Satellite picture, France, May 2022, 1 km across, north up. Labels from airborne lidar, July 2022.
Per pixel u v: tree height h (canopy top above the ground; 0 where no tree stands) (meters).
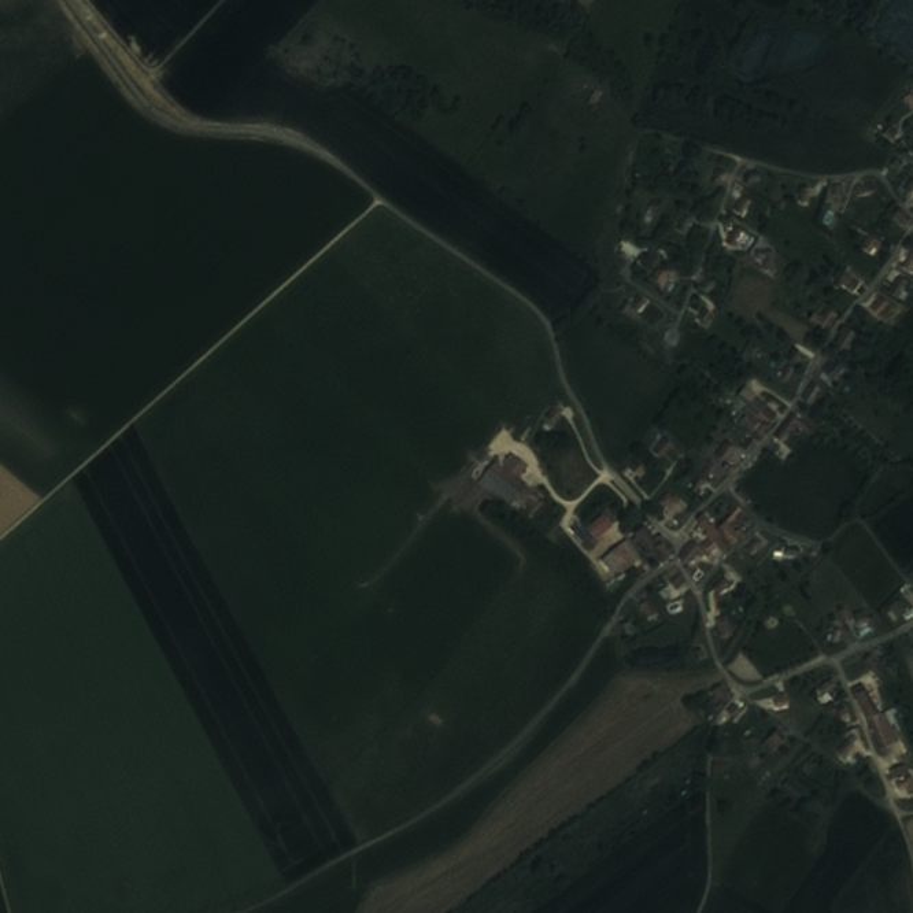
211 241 0
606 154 0
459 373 0
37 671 0
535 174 0
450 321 0
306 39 10
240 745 0
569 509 0
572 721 0
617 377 0
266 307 0
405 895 0
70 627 0
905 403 6
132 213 0
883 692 0
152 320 0
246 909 0
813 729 0
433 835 0
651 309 0
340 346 0
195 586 0
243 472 0
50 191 0
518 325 0
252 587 0
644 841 0
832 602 0
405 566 0
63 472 0
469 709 0
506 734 0
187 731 0
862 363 17
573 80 0
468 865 0
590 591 8
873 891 0
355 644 0
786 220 0
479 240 0
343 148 0
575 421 0
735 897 0
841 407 8
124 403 0
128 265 0
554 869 10
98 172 0
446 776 0
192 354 0
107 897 0
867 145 0
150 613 0
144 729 0
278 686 0
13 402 0
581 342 0
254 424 0
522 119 10
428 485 0
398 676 0
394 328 0
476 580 0
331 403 0
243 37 0
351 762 0
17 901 0
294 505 0
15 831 0
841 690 7
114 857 0
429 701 0
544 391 0
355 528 0
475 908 0
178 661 0
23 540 0
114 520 0
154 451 0
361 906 0
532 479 0
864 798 0
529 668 0
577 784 0
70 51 0
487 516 11
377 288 0
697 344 0
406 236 0
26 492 0
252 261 0
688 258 7
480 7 17
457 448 0
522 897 0
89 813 0
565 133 0
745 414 0
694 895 0
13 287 0
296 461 0
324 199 0
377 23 0
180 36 0
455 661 0
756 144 0
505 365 0
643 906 0
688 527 0
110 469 0
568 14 21
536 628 0
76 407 0
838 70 0
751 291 0
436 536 0
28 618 0
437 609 0
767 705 0
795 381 0
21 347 0
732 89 0
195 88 0
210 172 0
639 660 23
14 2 0
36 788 0
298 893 0
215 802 0
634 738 0
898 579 0
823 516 0
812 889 0
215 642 0
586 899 0
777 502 0
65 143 0
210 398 0
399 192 0
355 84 11
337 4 0
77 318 0
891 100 0
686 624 0
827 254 0
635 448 12
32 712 0
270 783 0
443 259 0
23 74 0
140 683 0
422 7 0
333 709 0
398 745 0
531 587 0
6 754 0
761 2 0
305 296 0
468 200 0
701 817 0
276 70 0
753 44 0
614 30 0
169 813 0
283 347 0
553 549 7
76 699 0
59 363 0
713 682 0
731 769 0
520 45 0
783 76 0
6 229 0
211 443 0
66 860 0
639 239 9
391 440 0
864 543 0
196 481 0
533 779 0
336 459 0
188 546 0
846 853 0
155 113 0
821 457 0
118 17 0
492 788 0
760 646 0
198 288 0
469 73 0
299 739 0
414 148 0
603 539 0
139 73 0
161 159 0
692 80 0
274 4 0
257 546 0
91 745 0
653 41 14
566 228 0
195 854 0
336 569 0
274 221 0
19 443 0
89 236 0
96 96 0
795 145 0
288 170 0
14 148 0
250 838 0
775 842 0
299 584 0
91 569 0
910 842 0
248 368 0
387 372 0
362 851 0
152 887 0
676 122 0
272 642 0
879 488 0
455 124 0
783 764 0
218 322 0
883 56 7
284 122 0
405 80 19
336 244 0
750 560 0
